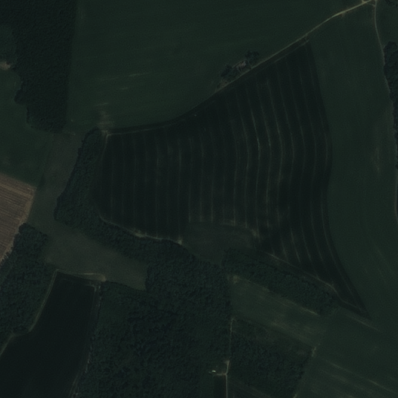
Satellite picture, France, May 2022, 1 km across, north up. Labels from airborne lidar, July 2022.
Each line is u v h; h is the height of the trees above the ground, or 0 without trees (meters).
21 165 0
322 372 0
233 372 6
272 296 0
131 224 0
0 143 0
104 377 20
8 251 0
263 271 13
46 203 0
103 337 18
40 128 16
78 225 23
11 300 25
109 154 0
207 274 27
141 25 0
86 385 23
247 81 0
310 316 0
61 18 23
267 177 0
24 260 11
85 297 0
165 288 27
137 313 23
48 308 0
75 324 0
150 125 0
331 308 23
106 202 0
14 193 0
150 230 0
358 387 0
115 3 0
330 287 0
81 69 0
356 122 0
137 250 21
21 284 22
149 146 0
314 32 0
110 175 0
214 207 0
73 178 18
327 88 0
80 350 0
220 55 0
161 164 0
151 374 22
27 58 23
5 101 0
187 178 0
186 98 0
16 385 0
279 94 0
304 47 0
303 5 0
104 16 0
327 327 0
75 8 17
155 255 23
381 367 0
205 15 0
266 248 0
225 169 0
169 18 0
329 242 0
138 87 0
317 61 0
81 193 25
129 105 0
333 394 0
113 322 15
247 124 0
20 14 21
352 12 0
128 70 0
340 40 0
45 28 24
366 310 0
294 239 0
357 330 0
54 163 0
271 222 0
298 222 0
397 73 26
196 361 19
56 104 15
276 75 0
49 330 0
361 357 0
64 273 0
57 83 17
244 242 0
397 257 0
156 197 0
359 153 0
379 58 0
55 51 21
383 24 0
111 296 16
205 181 0
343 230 0
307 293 23
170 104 0
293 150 0
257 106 0
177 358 16
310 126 0
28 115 15
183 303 26
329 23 0
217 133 0
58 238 0
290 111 0
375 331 0
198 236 0
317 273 0
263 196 0
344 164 0
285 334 0
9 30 23
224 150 0
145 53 0
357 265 0
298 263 0
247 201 0
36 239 22
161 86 0
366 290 0
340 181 0
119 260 0
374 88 0
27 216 0
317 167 0
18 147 0
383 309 0
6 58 23
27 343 0
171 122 0
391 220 0
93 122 0
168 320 27
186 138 0
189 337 18
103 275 0
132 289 9
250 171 0
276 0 0
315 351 0
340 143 0
